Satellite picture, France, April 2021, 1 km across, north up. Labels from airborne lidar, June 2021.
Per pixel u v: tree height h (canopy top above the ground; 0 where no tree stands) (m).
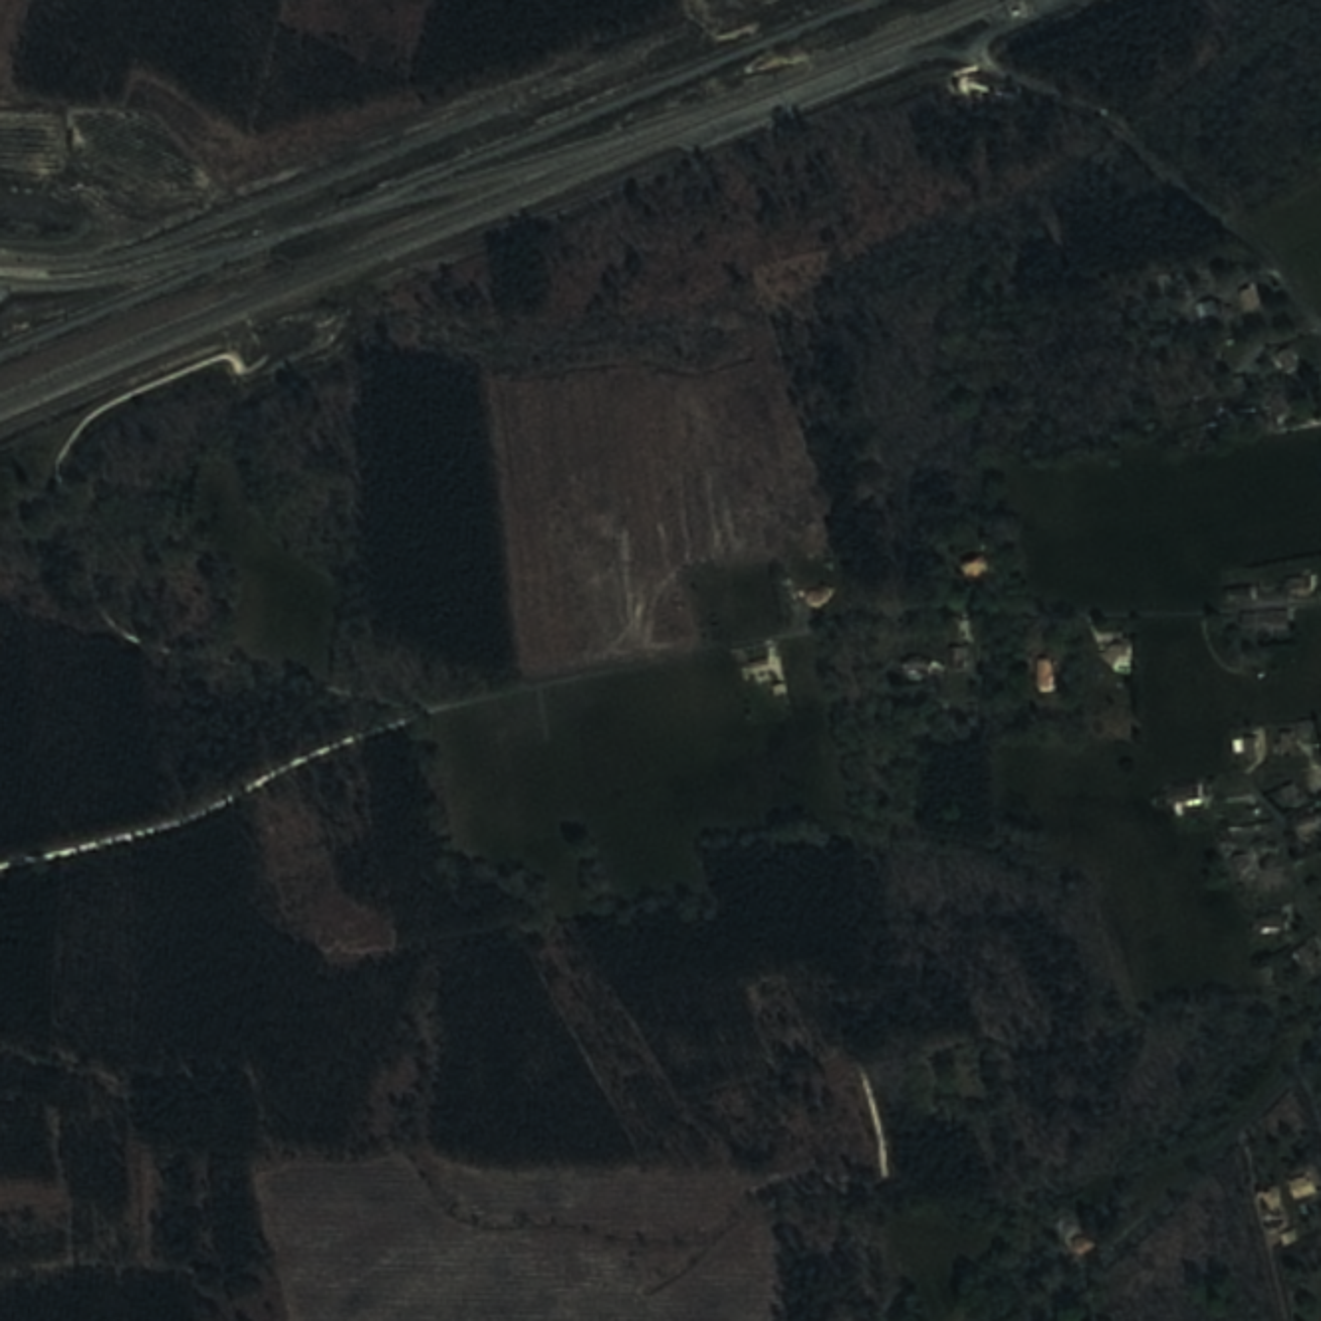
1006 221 14
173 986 9
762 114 0
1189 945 0
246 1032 13
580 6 11
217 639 15
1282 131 18
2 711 9
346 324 0
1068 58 21
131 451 12
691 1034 10
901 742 17
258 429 13
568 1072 10
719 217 23
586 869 11
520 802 0
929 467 10
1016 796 0
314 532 12
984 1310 20
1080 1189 7
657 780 0
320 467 13
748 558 0
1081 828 0
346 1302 0
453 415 17
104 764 12
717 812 0
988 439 12
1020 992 11
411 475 17
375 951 0
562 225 8
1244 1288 15
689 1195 0
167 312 0
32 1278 6
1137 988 0
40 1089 13
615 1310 0
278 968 10
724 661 0
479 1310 0
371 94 10
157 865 12
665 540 0
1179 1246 0
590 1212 0
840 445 13
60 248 0
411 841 10
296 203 0
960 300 10
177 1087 16
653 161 0
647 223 8
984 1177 20
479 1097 10
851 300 13
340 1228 0
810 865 12
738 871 13
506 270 16
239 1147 19
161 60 9
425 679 12
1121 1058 21
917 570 17
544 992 10
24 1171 11
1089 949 13
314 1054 10
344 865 11
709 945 12
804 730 0
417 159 0
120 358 0
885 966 12
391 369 15
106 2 9
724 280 10
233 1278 14
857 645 15
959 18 0
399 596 20
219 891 11
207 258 0
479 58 12
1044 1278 14
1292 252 0
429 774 13
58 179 0
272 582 0
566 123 0
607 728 0
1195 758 0
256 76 10
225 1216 16
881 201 7
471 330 22
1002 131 23
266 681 17
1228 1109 6
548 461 0
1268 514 0
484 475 19
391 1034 8
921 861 10
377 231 0
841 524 14
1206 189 19
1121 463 9
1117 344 9
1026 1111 8
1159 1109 16
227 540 0
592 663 0
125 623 14
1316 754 0
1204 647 0
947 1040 13
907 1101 16
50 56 10
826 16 0
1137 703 8
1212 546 0
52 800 11
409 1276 0
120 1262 8
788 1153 10
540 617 0
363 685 13
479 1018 11
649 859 0
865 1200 17
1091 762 0
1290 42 13
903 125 11
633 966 9
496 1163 9
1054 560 0
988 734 16
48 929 11
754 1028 7
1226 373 13
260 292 0
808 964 10
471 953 11
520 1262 0
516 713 0
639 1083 8
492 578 19
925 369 8
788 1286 10
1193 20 19
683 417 0
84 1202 12
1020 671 18
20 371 0
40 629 9
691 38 0
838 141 12
